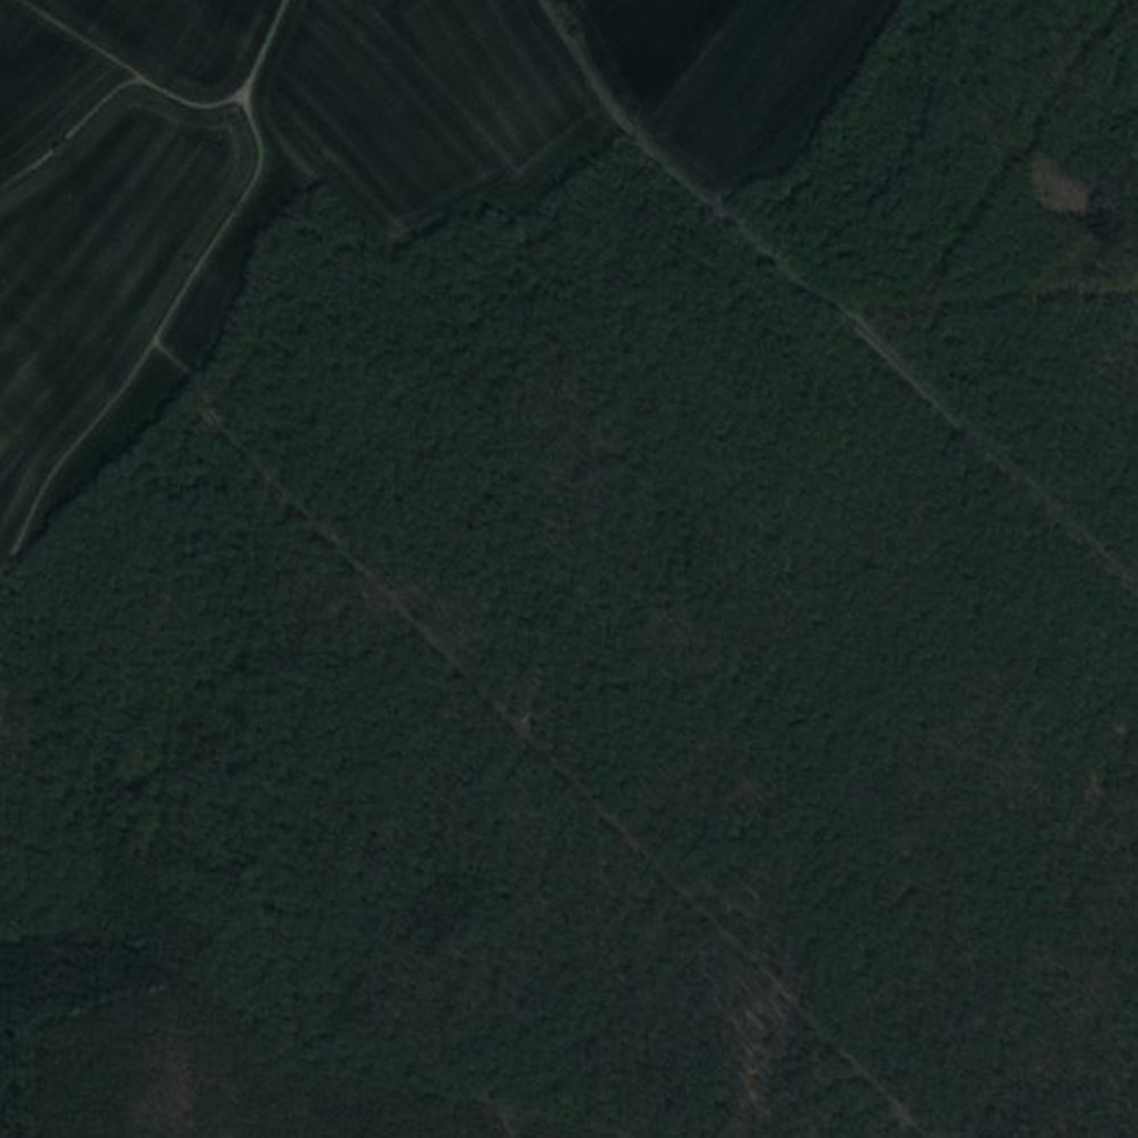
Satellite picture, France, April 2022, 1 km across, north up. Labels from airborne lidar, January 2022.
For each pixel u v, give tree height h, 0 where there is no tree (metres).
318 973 23
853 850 26
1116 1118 21
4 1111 26
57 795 29
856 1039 24
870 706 23
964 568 22
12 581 15
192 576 27
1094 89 27
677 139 0
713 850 23
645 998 22
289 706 26
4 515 0
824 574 22
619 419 24
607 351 22
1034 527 24
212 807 31
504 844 24
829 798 26
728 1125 22
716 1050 22
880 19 0
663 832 25
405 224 0
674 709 25
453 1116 16
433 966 22
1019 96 23
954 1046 20
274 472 24
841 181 25
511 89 0
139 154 0
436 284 24
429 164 0
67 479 0
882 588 23
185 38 0
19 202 0
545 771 25
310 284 24
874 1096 24
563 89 0
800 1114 23
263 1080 16
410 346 23
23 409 0
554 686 25
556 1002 20
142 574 26
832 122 16
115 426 0
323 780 24
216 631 29
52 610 26
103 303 0
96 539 24
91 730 27
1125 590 20
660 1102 22
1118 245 20
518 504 24
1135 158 24
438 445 23
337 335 24
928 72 21
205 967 22
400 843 24
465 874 20
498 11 0
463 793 24
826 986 26
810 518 22
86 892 27
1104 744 22
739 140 0
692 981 24
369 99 0
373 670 26
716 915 19
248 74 0
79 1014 12
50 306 0
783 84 0
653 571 24
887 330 21
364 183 0
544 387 25
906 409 27
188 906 24
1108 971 23
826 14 0
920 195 23
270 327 25
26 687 29
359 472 24
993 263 23
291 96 0
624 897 24
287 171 0
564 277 24
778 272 20
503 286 25
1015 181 23
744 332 22
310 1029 26
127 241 0
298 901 27
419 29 0
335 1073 24
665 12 0
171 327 0
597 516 27
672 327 23
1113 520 23
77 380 0
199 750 27
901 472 23
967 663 21
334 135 0
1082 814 22
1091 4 23
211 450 26
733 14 0
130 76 0
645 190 22
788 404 19
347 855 26
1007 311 19
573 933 20
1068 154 23
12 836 28
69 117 0
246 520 25
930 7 24
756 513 24
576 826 24
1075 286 0
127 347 0
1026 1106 21
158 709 28
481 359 24
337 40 0
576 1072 23
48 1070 18
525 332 27
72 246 0
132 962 15
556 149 0
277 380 25
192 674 26
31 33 0
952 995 20
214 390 21
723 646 25
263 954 28
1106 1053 22
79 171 0
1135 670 26
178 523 27
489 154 0
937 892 21
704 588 25
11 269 0
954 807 22
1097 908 21
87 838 28
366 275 24
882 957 24
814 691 21
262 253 24
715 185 0
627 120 0
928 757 22
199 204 0
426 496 24
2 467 0
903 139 11
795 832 24
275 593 25
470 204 0
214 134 0
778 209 17
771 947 24
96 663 24
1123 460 21
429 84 0
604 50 0
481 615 23
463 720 21
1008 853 22
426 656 27
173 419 16
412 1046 26
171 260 0
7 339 0
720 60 0
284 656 24
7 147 0
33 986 17
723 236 18
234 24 0
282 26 0
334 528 22
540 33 0
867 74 18
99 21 0
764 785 23
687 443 22
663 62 0
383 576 22
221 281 0
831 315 24
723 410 23
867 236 22
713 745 25
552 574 27
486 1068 25
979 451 23
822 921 25
